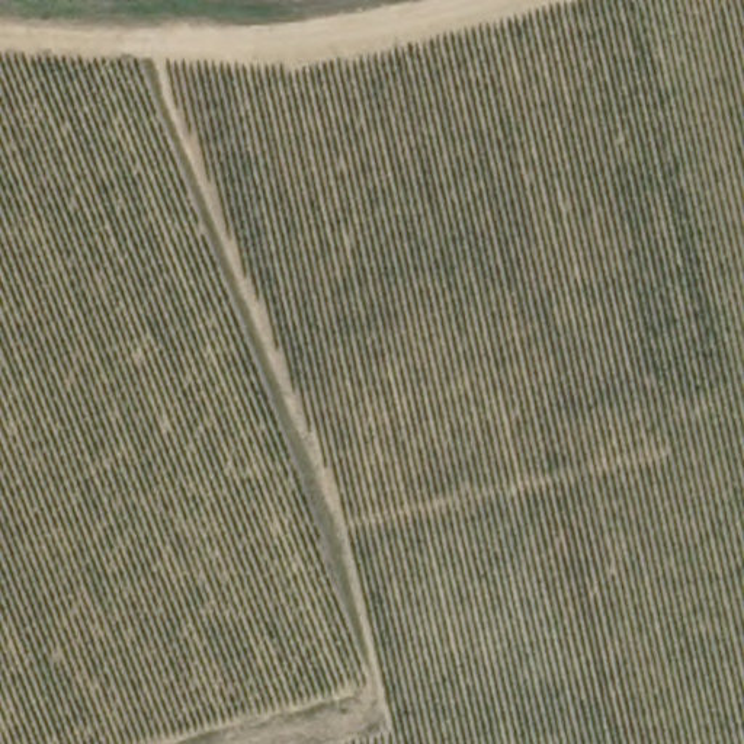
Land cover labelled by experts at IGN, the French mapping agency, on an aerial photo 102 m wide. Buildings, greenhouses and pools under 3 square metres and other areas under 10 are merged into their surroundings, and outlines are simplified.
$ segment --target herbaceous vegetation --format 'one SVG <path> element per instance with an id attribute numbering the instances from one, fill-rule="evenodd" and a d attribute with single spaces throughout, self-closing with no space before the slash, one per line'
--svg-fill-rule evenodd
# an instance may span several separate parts
<path id="1" fill-rule="evenodd" d="M 410 0 L 0 0 L 0 17 L 52 23 L 70 20 L 78 26 L 160 26 L 171 20 L 192 20 L 218 26 L 256 26 L 349 15 Z"/>

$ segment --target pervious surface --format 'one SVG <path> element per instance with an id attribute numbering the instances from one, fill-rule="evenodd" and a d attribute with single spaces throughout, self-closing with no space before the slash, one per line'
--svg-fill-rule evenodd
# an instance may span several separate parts
<path id="1" fill-rule="evenodd" d="M 192 20 L 171 20 L 160 26 L 78 26 L 70 20 L 52 23 L 0 17 L 0 52 L 55 58 L 134 55 L 151 61 L 166 58 L 230 67 L 285 67 L 291 73 L 326 61 L 357 61 L 410 44 L 427 44 L 439 35 L 514 20 L 538 9 L 575 0 L 410 0 L 349 15 L 256 26 L 218 26 Z"/>

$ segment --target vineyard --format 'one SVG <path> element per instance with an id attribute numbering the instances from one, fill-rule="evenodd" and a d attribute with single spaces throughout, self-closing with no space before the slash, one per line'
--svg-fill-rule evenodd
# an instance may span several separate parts
<path id="1" fill-rule="evenodd" d="M 0 52 L 0 744 L 744 744 L 744 0 L 575 0 L 538 9 L 514 20 L 439 35 L 427 44 L 410 44 L 357 61 L 326 61 L 291 73 L 285 67 L 230 67 L 166 58 L 151 61 L 134 55 L 55 58 Z"/>

